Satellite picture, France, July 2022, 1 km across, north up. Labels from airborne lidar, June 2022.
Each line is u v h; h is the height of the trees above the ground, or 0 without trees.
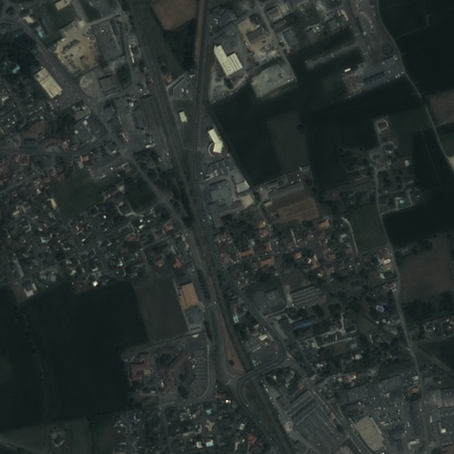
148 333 0
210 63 0
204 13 0
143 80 0
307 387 0
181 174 0
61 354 0
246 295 0
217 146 0
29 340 13
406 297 0
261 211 0
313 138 0
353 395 0
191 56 10
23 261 7
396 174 6
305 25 0
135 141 0
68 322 0
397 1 0
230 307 8
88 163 6
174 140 0
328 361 13
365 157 0
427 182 0
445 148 0
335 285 0
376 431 0
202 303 0
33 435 0
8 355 11
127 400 0
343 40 0
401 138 0
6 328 0
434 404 0
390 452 0
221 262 0
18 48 19
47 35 0
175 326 0
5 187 6
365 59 0
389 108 0
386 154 0
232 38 0
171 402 0
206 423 0
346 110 0
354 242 0
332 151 0
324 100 0
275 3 0
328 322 8
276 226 0
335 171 0
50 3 0
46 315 0
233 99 0
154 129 0
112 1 0
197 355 0
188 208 11
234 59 0
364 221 0
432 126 0
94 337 0
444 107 0
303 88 0
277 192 0
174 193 11
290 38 0
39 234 14
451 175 0
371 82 0
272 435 0
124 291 0
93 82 0
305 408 0
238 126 0
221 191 0
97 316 0
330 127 0
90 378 0
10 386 0
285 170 0
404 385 0
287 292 0
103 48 0
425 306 6
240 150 0
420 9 0
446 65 0
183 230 0
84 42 0
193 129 0
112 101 7
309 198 0
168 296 0
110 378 0
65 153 0
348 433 0
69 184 0
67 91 0
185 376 10
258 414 0
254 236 7
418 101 0
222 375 0
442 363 0
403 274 0
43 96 0
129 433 0
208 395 0
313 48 0
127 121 0
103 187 0
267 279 8
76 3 0
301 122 0
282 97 0
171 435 6
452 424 0
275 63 0
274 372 10
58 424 0
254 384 0
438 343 0
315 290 0
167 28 0
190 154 0
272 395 0
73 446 0
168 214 8
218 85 0
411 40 0
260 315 0
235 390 0
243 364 0
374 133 0
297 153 0
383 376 0
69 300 0
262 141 0
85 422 0
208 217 0
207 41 0
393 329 0
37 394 0
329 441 0
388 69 0
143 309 0
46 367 0
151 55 0
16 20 0
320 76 0
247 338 10
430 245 14
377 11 0
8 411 0
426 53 0
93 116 0
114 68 0
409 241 0
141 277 10
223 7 11
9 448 0
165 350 0
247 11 0
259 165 0
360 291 0
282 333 0
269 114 0
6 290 0
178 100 0
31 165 0
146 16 0
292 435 0
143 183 20
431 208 0
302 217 0
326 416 0
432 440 0
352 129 0
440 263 0
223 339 0
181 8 0
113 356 0
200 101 0
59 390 0
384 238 0
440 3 0
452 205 0
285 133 0
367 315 0
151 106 0
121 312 0
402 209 0
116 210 31
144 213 0
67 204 0
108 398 0
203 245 0
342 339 0
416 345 0
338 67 0
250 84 0
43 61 0
